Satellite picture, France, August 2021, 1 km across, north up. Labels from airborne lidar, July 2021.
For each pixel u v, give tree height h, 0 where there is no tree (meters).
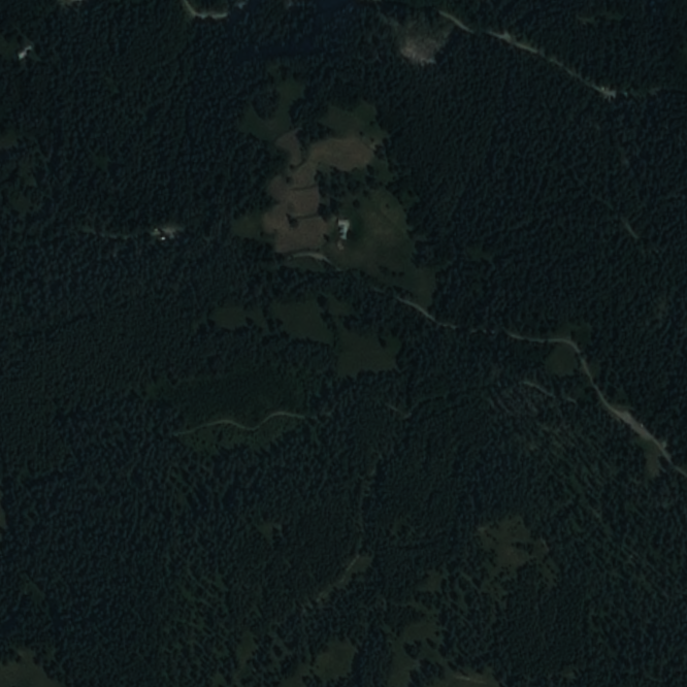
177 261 10
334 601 13
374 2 8
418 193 14
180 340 18
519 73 17
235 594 23
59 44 25
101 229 24
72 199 21
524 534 0
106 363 20
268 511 27
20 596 21
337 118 0
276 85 22
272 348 27
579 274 21
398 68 21
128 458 12
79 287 25
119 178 24
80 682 20
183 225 22
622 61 21
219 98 19
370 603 13
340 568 20
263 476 30
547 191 23
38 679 0
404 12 23
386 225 0
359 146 0
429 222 18
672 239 15
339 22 11
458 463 12
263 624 18
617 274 25
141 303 18
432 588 0
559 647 13
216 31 21
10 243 14
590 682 15
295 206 0
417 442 20
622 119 25
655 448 0
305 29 31
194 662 28
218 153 11
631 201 18
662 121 19
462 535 21
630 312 20
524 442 29
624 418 0
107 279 29
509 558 0
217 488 30
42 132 25
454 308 27
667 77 15
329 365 30
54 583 32
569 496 20
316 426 27
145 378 20
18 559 25
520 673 14
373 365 0
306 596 22
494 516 28
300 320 0
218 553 27
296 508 25
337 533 22
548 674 14
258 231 0
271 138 0
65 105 28
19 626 20
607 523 17
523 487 30
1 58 9
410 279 0
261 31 14
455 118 23
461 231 16
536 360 11
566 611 12
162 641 27
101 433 24
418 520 16
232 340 26
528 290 22
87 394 21
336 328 15
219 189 16
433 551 20
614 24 13
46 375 22
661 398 16
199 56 19
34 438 21
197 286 28
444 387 8
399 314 24
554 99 24
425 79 23
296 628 26
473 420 21
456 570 20
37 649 10
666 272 16
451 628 26
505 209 19
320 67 26
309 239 0
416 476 22
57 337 17
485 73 15
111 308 20
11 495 24
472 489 29
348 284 18
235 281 27
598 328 23
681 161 22
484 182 24
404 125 25
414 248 0
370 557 12
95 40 22
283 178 0
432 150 22
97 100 20
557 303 26
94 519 26
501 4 32
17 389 22
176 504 34
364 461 22
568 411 31
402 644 0
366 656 28
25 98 10
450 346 20
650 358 21
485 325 27
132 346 18
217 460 0
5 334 20
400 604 19
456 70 21
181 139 19
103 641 21
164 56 20
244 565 19
